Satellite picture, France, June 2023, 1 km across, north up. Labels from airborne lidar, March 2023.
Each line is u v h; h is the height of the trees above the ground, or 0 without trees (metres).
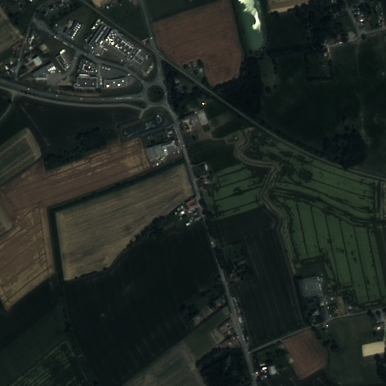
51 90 0
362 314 0
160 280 0
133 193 0
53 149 0
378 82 0
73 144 0
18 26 0
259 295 0
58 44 0
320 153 7
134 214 0
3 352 0
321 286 0
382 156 0
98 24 0
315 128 0
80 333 0
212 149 0
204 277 0
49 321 0
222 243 0
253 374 0
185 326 0
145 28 0
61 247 0
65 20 0
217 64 0
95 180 0
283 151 0
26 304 0
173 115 0
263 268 0
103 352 0
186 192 0
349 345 0
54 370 0
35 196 0
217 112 0
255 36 0
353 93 0
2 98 0
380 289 0
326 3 13
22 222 0
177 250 0
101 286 0
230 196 0
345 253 0
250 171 0
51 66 0
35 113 0
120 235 0
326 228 0
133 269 0
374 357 0
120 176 0
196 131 0
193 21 0
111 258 0
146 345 0
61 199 0
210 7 0
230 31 0
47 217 0
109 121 0
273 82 0
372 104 0
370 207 0
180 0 0
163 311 0
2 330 0
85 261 0
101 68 0
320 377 0
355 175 0
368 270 0
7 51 0
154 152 0
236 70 0
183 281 0
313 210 0
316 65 0
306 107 0
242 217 0
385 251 0
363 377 0
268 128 6
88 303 0
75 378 0
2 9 0
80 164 0
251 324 0
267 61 0
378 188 0
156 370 0
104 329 0
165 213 0
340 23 9
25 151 0
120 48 0
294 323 0
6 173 0
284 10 0
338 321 0
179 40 0
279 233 0
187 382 0
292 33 0
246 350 0
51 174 0
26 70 7
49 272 0
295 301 0
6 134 0
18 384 0
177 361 0
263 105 0
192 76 0
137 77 0
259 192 0
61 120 0
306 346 0
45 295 0
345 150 32
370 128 0
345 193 0
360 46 0
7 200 0
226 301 6
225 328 0
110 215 0
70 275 0
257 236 0
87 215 0
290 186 0
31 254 0
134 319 0
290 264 0
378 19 0
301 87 0
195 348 0
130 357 0
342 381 0
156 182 0
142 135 0
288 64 0
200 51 0
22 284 0
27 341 0
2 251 0
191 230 0
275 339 0
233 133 0
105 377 0
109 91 0
